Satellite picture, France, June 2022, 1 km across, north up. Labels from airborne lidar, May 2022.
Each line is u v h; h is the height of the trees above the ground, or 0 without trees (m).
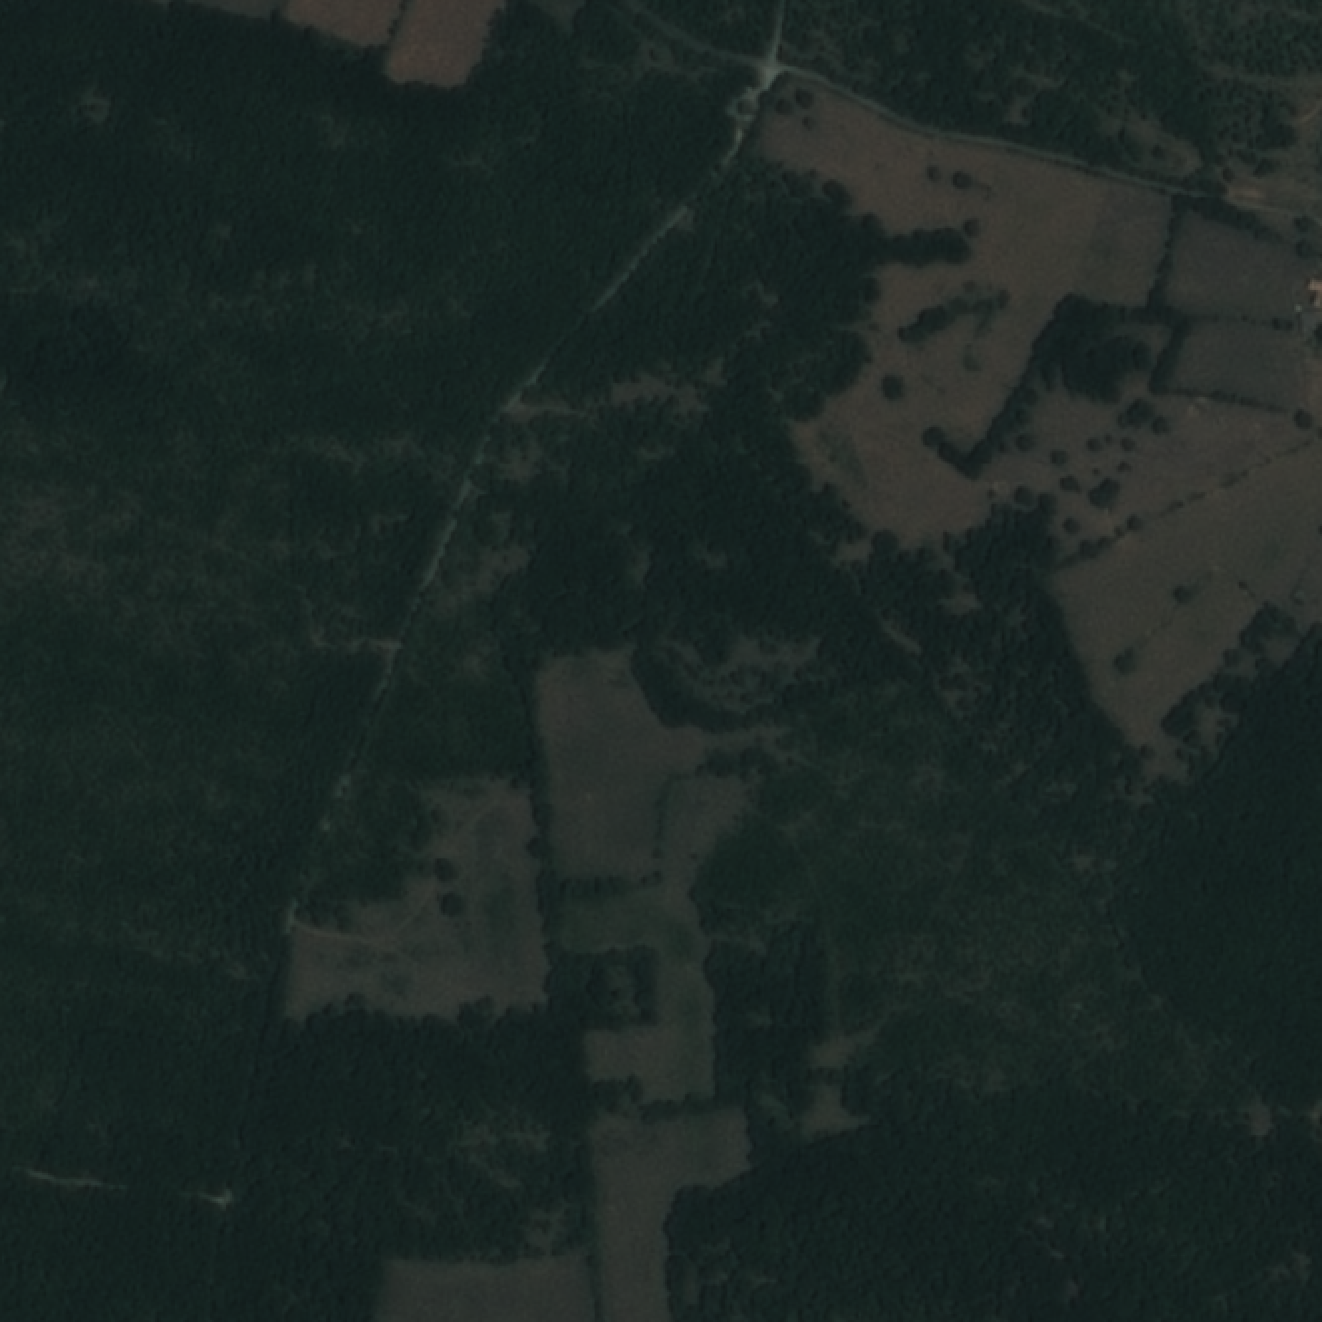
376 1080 14
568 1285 0
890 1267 9
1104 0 8
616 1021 11
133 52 12
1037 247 0
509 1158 7
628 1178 0
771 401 10
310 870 11
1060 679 13
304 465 8
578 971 10
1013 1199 9
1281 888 13
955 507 0
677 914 0
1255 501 0
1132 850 6
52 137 12
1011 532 11
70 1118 11
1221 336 0
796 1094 10
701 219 8
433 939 0
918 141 0
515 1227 7
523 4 12
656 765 0
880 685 13
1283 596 0
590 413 6
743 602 10
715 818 0
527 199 8
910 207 0
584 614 12
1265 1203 10
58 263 9
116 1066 11
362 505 9
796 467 12
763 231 8
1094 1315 15
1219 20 8
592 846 0
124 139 11
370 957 0
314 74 11
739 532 10
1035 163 0
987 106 10
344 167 8
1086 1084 8
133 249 11
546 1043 13
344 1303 14
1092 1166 11
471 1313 0
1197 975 11
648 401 5
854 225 13
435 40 0
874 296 12
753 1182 16
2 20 12
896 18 9
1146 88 11
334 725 11
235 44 13
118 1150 10
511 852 0
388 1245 12
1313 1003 12
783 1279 9
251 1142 15
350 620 6
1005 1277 11
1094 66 12
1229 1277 8
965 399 0
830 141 0
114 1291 12
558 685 0
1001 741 7
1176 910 12
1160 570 0
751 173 6
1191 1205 8
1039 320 0
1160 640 0
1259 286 0
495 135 8
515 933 0
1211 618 0
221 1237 11
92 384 13
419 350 8
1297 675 8
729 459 11
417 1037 13
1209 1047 8
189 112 11
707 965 11
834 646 11
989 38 11
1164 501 0
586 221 11
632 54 8
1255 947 9
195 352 6
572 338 11
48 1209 10
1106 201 0
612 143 7
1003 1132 8
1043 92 8
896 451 0
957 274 0
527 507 11
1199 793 11
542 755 11
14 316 10
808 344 10
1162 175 7
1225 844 15
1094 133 11
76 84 10
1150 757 9
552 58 7
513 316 10
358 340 7
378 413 11
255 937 8
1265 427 0
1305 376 0
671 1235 15
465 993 0
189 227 11
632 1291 0
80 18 14
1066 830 10
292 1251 13
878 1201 14
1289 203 0
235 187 7
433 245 8
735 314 9
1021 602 12
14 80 13
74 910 7
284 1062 12
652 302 7
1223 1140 12
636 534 11
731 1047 14
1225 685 10
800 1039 15
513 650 13
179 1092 11
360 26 0
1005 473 0
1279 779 14
